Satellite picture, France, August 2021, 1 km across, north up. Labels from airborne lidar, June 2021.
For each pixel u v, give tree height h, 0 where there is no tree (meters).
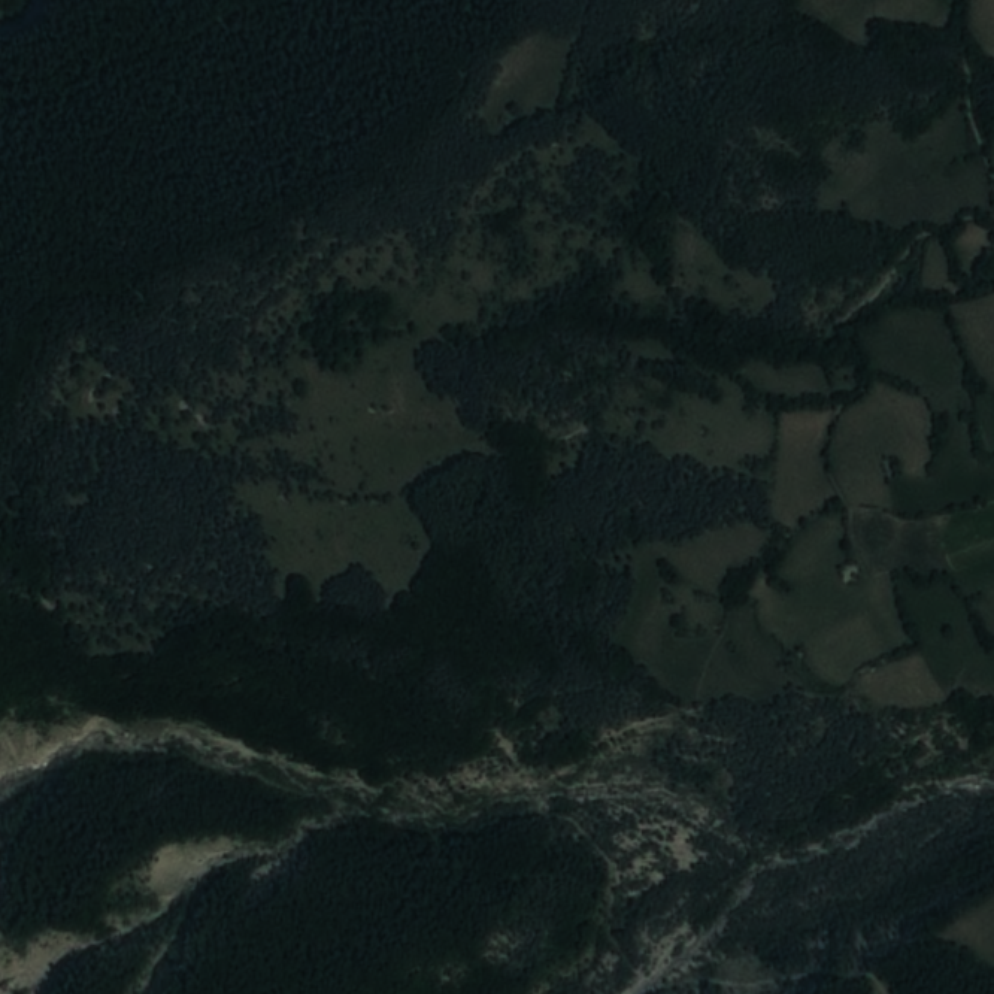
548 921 7
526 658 14
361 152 18
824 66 17
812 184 11
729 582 13
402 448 0
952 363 0
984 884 12
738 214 18
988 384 12
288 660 12
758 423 0
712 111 24
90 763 11
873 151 0
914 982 18
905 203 0
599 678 14
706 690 0
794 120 10
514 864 17
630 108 22
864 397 8
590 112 22
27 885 19
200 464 16
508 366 16
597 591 22
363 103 16
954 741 8
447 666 13
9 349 13
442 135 13
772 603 0
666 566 15
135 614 7
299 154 19
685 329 23
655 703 10
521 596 12
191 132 20
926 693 0
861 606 0
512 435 19
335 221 15
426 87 15
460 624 17
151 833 12
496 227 16
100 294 12
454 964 6
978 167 0
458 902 21
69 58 22
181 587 7
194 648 17
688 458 9
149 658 10
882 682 0
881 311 13
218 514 11
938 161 0
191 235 18
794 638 0
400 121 19
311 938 20
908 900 10
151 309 13
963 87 12
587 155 14
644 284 0
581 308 20
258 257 14
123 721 6
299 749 12
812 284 11
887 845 7
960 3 11
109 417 8
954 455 0
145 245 18
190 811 17
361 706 14
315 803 6
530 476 23
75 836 12
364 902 17
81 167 21
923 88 13
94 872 18
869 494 0
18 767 0
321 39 22
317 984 19
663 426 8
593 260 10
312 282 9
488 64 12
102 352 16
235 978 19
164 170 17
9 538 23
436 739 16
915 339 0
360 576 13
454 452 0
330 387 0
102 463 8
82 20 22
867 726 7
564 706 12
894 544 0
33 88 22
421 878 23
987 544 0
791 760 9
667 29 14
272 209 20
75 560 12
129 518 13
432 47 22
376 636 15
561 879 13
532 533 25
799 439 0
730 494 18
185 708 12
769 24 11
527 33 13
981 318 0
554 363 13
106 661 14
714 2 9
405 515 0
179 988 8
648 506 16
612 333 11
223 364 8
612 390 10
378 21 19
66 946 0
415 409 0
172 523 16
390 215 14
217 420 9
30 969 0
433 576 17
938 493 0
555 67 0
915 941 11
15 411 12
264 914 16
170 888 0
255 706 11
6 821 6
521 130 16
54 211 18
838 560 0
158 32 18
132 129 20
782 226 21
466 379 18
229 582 7
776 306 10
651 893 12
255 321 11
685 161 32
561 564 16
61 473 15
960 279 16
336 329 18
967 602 10
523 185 7
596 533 18
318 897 16
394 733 14
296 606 17
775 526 8
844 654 0
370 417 0
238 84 16
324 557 0
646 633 0
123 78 10
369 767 9
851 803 14
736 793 10
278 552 0
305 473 8
